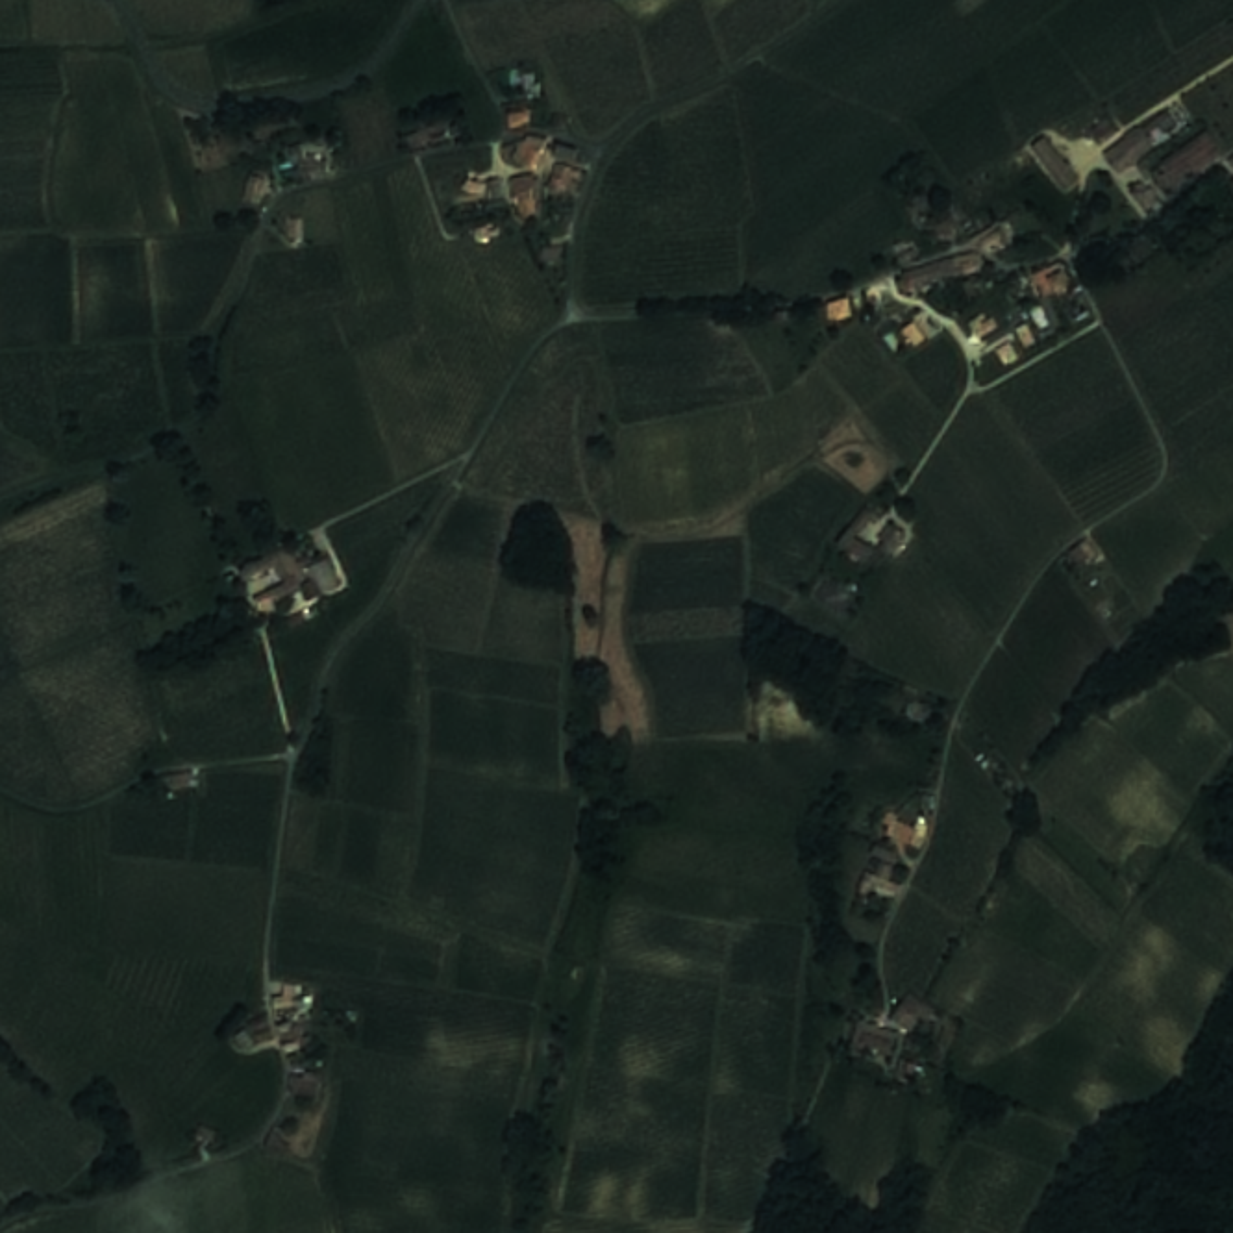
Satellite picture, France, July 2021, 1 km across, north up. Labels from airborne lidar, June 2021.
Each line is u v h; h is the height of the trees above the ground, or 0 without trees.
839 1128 0
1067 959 0
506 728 0
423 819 0
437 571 0
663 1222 0
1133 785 0
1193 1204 17
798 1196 17
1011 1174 0
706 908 0
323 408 0
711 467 0
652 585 0
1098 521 0
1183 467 0
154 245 0
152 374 0
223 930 0
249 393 0
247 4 0
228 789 0
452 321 0
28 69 0
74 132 0
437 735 0
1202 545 0
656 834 0
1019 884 0
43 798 0
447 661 0
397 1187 0
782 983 0
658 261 0
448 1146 0
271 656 0
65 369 0
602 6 0
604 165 0
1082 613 0
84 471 0
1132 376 0
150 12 0
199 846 0
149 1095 0
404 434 0
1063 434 0
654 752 0
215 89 0
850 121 0
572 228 0
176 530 0
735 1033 0
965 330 0
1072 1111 0
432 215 0
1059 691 0
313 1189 0
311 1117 0
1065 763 0
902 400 0
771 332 0
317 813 0
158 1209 0
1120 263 10
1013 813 10
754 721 0
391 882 0
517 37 0
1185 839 0
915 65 0
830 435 0
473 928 0
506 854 0
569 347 0
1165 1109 18
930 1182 6
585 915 0
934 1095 0
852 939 12
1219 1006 9
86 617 0
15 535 0
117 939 0
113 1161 14
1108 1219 13
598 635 0
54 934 0
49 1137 0
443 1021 0
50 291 0
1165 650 18
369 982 0
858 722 7
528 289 0
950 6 0
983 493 0
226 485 0
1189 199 15
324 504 0
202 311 0
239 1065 0
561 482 0
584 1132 0
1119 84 0
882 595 0
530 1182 22
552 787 0
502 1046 0
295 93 0
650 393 0
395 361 0
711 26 0
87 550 0
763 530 0
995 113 0
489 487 0
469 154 0
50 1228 0
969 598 0
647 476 0
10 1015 0
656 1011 0
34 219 0
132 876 0
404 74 0
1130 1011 0
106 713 0
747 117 0
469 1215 0
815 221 0
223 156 0
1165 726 0
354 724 0
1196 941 0
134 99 0
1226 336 0
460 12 0
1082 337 0
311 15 0
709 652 0
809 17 0
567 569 21
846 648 15
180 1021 0
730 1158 0
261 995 0
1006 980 0
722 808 0
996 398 0
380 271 0
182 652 9
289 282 0
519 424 0
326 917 0
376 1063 0
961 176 0
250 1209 0
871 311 10
